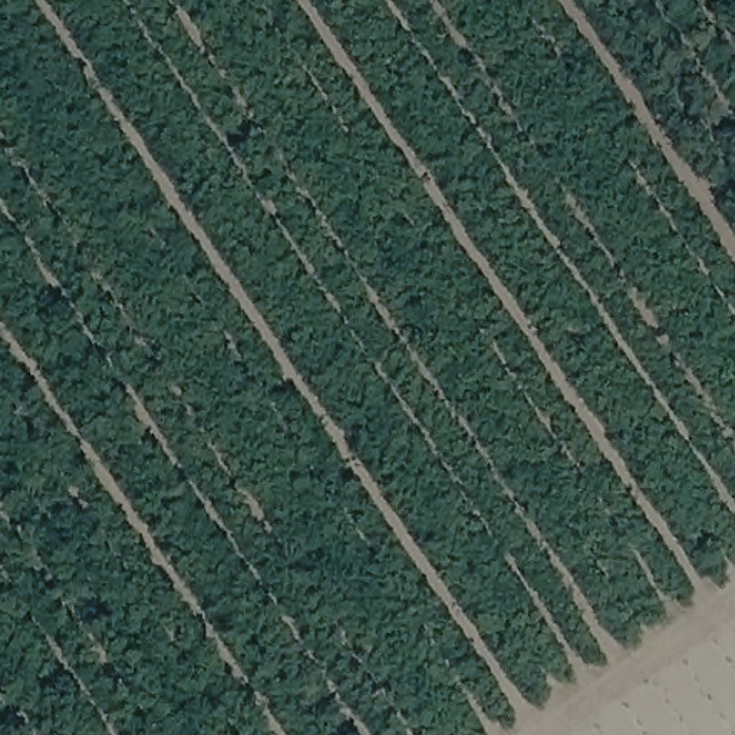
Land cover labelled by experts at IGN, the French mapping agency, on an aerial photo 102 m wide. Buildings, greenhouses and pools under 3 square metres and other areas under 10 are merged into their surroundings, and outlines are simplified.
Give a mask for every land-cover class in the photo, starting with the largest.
<instances>
[{"label":"deciduous trees","instance_id":"1","mask_svg":"<svg viewBox=\"0 0 735 735\"><path fill-rule=\"evenodd\" d=\"M0 316L17 336L23 350L40 365L55 396L78 425L75 436L63 428V422L40 396L29 368L20 365L9 353V345L0 339V735H273L256 701L244 703L238 692L241 680L233 678L230 666L207 640V626H215L221 632L227 649L238 657L241 669L247 672L244 683H253V695H267L270 709L276 721L287 729V735H485L482 726L488 721L514 726V709L497 686L485 660L474 652L465 632L454 623L445 603L428 586L425 574L413 566L402 543L393 537L370 494L362 488L359 477L339 457L319 416L301 399L296 385L281 376L270 347L261 342L247 313L230 296V287L207 261L195 235L181 224L178 212L167 204L161 187L144 167L141 155L132 149L121 126L106 112L100 95L89 86L83 75V60L69 55V49L49 26V20L34 6V0H0ZM126 385H135L146 411L158 419L161 431L178 454V465L167 462L164 451L158 448V439L138 422L126 396ZM83 442L95 445V451L100 454L123 494L132 500L138 517L152 528L155 543L198 597V614H192L189 606L178 597L167 571L152 563L141 534H135V528L126 523L123 508L109 497V491L100 485L92 465L86 462L80 451ZM187 479H195L210 494L212 505L227 523V531H221L204 514V505L192 497ZM55 11L63 17L78 46L92 57V66L100 75L103 86L115 95L123 115L135 123L155 161L172 178L181 201L195 212L198 224L207 230L221 258L238 276L241 287L250 293V299L278 336L296 370L307 379L313 393L330 411L333 422L345 431L350 451L365 462L370 477L379 482L385 500L402 517L416 546L448 583L451 594L474 620L482 640L497 655L505 675L525 695V701L543 706L548 698L546 678L571 680L574 672L560 643L537 614L531 597L514 580L505 554L517 557L520 568L543 594L563 635L568 637L571 649L586 663H606L600 646L583 623L548 554L537 548L528 528L517 520L514 508H525L540 525V531L548 537V543H554L557 554L580 583L597 620L612 637L623 646H637L643 626L660 623L663 606L657 603V594L669 591L678 603L686 606L692 603V583L678 566L675 554L666 548L657 528L646 520L629 488L614 474L612 462L600 454L589 428L580 422L577 411L563 399L548 370L537 359L534 347L517 327V322L508 316L491 284L485 281L482 270L468 258V253L454 238L448 221L428 198L413 169L408 167L402 149L388 141L373 112L362 103L359 89L347 78V72L333 60L324 40L316 34L310 17L299 9L296 0H49ZM373 287L379 290L382 301L388 304L399 327L388 330L382 316L368 301L365 293ZM324 23L345 46L347 57L365 75L370 92L385 106L388 118L396 123V129L405 135L413 152L434 169L442 195L451 201L471 241L485 253L502 284L514 293L523 313L531 316L546 350L557 359L571 388L603 422L609 442L626 459L632 477L640 482V491L666 517L669 528L686 548L698 574L709 577L712 583L724 586L726 568L735 566V517L718 500L706 471L695 459V451L701 448L712 459L715 471L735 497V261L724 250L701 204L678 181L663 152L652 144L649 132L635 118V106L623 98L609 69L600 63L589 40L580 34L574 20L557 0H442L448 14L457 20V29L465 34V46H457L425 0H313ZM502 167H511L514 178L528 189L546 224L560 235V247L597 287L600 301L609 307L620 333L635 347L646 370L655 376L669 405L686 422L689 436H680L675 425L660 413L655 396L609 336L589 296L577 287L571 273L563 267L560 256H554V247L540 235L525 207L508 189ZM629 290L643 293L646 304L657 316V324L669 336V347H660L657 339L649 333L652 324L640 319V313L629 301ZM666 353L686 356L695 376L709 388L718 413L732 422V436H724L718 431V425L709 419L701 399L695 396L692 385L683 379L680 368L666 359ZM589 17V23L597 29L600 40L614 55L620 69L640 89L649 112L669 135L678 155L692 167L698 178L709 184L715 207L735 233V0H574Z\"/></svg>","mask_w":735,"mask_h":735},{"label":"herbaceous vegetation","instance_id":"2","mask_svg":"<svg viewBox=\"0 0 735 735\"><path fill-rule=\"evenodd\" d=\"M34 6L49 20V26L69 49V55L83 60V75L89 86L100 95L106 112L121 126L132 149L141 155L144 167L161 187L167 204L178 212L181 224L195 235L207 261L230 287V296L247 313L261 342L270 347L281 376L296 385L301 399L319 416L339 457L359 477L362 488L370 494L393 537L402 543L413 566L425 574L428 586L445 603L454 623L465 632L474 652L485 660L497 686L514 709L525 701V695L505 675L497 655L482 640L474 620L451 594L448 583L416 546L402 517L385 500L379 482L370 477L365 462L350 451L345 431L333 422L330 411L313 393L307 379L296 370L278 336L250 299V293L241 287L238 276L221 258L207 230L198 224L195 212L181 201L172 178L155 161L135 123L123 115L115 95L103 86L100 75L92 66V57L78 46L63 17L55 11L49 0H34ZM299 9L310 17L316 34L324 40L333 60L347 72V78L359 89L362 103L373 112L388 141L402 149L408 167L413 169L428 198L448 221L454 238L468 253V258L482 270L485 281L491 284L508 316L517 322V327L534 347L537 359L548 370L563 399L577 411L580 422L589 428L600 454L612 462L614 474L629 488L646 520L657 528L666 548L675 554L678 566L692 583V591L698 594L712 583L709 577L698 574L686 548L669 528L666 517L640 491V482L632 477L626 459L609 442L603 422L571 388L557 359L546 350L531 316L523 313L514 293L502 284L485 253L471 241L451 201L442 195L434 169L413 152L405 135L396 129V123L388 118L385 106L370 92L365 75L347 57L345 46L324 23L313 0H296ZM457 46H465V34L457 29V20L448 14L442 0H425ZM574 20L580 34L589 40L600 63L609 69L623 98L635 106V118L649 132L652 144L663 152L678 181L701 204L724 250L735 261V233L715 207L709 184L698 178L692 167L678 155L669 135L649 112L640 89L620 69L614 55L600 40L597 29L589 23V17L574 0H557ZM508 189L525 207L540 235L554 247V256H560L563 267L571 273L577 287L589 296L609 336L655 396L660 413L675 425L680 436H689L686 422L669 405L655 376L646 370L635 347L620 333L609 307L600 301L597 287L560 247V235L546 224L528 189L514 178L511 167H502ZM368 301L382 316L388 330L399 327L388 304L382 301L379 290L373 287L365 293ZM629 301L640 313V319L652 324L649 333L657 339L660 347H669V336L657 324V316L646 304L643 293L629 290ZM0 339L9 345V353L20 365L29 368L40 396L63 422V428L75 436L78 425L55 396L40 365L23 350L17 336L0 316ZM666 359L680 368L683 379L692 385L695 396L701 399L709 419L718 425V431L724 436H732V422L718 413L709 388L695 376L686 356L666 353ZM126 396L138 422L158 439V448L164 451L167 462L178 465V454L161 431L158 419L146 411L135 385H126ZM80 451L86 462L92 465L100 485L109 491V497L123 508L126 523L135 528V534H141L152 563L167 571L178 597L189 606L192 614H198V597L155 543L152 528L138 517L132 500L123 494L100 454L95 451V445L83 442ZM695 459L706 471L718 500L735 517V497L715 471L712 459L701 448L695 451ZM192 497L204 505V514L221 531H227V523L212 505L210 494L195 479H187ZM517 520L528 528L537 548L548 554L583 623L600 646L612 637L597 620L580 583L557 554L554 543H548V537L540 531V525L525 508H514ZM514 580L531 597L537 614L560 643L574 672L586 663L571 649L568 637L563 635L543 594L520 568L517 557L505 554ZM657 603L663 606L660 623H672L675 617H680L686 606L678 603L669 591L657 594ZM207 640L230 666L233 678L241 680L238 692L244 703L256 701L273 735H287V729L276 721L270 709L267 695H253V683H244L247 672L241 669L238 657L227 649L221 632L215 626H207Z\"/></svg>","mask_w":735,"mask_h":735},{"label":"pervious surface","instance_id":"3","mask_svg":"<svg viewBox=\"0 0 735 735\"><path fill-rule=\"evenodd\" d=\"M724 632H735V566L726 568L724 586L712 583L698 594L692 591V603L686 606L680 617H675L672 623H660L643 626L637 646H623L612 637L600 646L606 663H586L574 672L571 680L546 678L548 698L543 706L525 701L514 709V726L488 721L482 726L485 735H543L554 732L563 721V712L574 715L580 703L591 706L594 712H600L606 703L629 706L632 689L646 686L649 678L660 675L669 666H689V652L695 646L718 643Z\"/></svg>","mask_w":735,"mask_h":735},{"label":"agricultural land","instance_id":"4","mask_svg":"<svg viewBox=\"0 0 735 735\"><path fill-rule=\"evenodd\" d=\"M543 735H735V632H724L718 643L695 646L689 652V666H669L660 675L649 678L646 686L632 689L629 706L606 703L600 712H594L591 706L580 703L574 715L563 712V721L554 732Z\"/></svg>","mask_w":735,"mask_h":735}]
</instances>
